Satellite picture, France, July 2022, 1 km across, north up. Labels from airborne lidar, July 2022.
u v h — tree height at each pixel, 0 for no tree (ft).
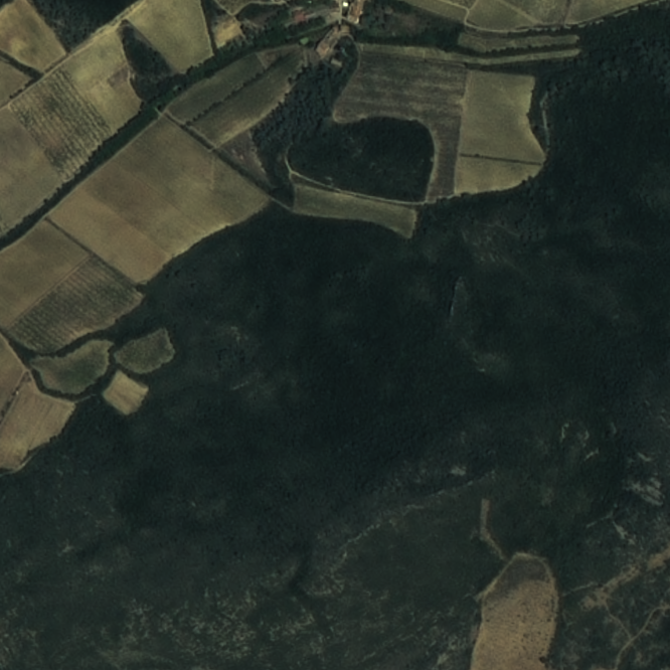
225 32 0
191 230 0
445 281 20
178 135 0
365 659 0
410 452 18
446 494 0
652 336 27
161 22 0
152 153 0
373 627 0
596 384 27
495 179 0
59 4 32
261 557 0
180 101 0
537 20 0
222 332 0
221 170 0
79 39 28
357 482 18
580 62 39
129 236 0
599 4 0
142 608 0
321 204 0
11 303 0
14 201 0
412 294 18
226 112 0
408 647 0
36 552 0
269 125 26
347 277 21
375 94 0
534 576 0
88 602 0
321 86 40
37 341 0
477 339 18
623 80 44
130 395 0
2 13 0
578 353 20
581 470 20
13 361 0
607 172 19
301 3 47
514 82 0
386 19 39
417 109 0
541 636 0
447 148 0
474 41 0
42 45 0
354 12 0
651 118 25
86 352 0
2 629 0
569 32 25
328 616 0
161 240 0
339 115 0
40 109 0
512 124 0
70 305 0
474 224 25
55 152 0
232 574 0
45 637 0
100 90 0
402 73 0
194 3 0
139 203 0
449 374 18
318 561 0
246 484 21
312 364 21
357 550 0
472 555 0
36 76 19
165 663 0
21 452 0
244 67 0
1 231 0
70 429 24
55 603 0
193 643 0
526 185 47
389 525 0
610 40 23
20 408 0
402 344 23
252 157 0
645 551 0
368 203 0
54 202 24
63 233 0
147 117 59
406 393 20
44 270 0
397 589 0
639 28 27
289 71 0
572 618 0
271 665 0
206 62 44
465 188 0
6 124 0
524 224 32
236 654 0
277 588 0
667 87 55
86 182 0
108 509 0
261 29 26
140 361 0
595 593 0
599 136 21
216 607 0
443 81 0
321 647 0
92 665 0
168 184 0
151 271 0
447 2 0
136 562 0
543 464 20
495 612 0
